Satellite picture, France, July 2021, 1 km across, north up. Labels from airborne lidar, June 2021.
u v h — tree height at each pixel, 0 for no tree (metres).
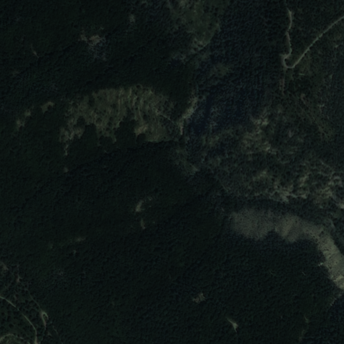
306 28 11
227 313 16
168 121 16
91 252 23
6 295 8
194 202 26
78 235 13
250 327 17
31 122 19
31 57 15
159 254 11
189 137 10
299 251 20
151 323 23
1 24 21
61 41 26
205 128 12
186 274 18
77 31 15
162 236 22
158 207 20
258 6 11
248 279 15
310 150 10
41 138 22
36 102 13
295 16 15
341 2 8
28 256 24
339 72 13
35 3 23
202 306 28
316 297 21
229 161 6
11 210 28
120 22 20
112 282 22
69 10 26
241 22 18
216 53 10
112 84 17
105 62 16
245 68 24
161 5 8
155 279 22
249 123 8
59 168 20
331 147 14
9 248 14
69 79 24
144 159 25
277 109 5
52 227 16
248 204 10
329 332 22
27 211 20
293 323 23
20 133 16
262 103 11
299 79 7
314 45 9
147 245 15
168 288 28
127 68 24
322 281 17
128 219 16
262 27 18
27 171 23
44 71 20
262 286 14
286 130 7
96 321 23
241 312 19
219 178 8
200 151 12
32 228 20
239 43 13
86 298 24
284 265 15
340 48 10
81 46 22
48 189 17
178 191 20
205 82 11
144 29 25
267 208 16
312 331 20
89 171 27
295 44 9
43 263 19
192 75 24
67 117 12
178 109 14
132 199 21
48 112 20
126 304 21
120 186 20
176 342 18
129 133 17
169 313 24
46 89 15
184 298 24
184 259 23
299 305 18
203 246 28
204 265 19
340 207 6
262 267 23
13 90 15
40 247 21
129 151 20
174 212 23
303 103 10
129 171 23
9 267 13
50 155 18
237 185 7
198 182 16
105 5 32
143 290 22
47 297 19
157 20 18
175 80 24
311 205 23
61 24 25
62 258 19
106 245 18
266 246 13
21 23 16
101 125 0
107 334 20
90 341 23
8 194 18
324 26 6
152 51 23
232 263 19
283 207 8
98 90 11
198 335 24
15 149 19
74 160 22
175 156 14
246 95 15
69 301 20
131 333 19
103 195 22
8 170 15
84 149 22
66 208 17
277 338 18
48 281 15
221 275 28
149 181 26
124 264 23
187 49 17
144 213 9
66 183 16
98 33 11
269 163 11
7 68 19
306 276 15
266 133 12
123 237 19
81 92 18
